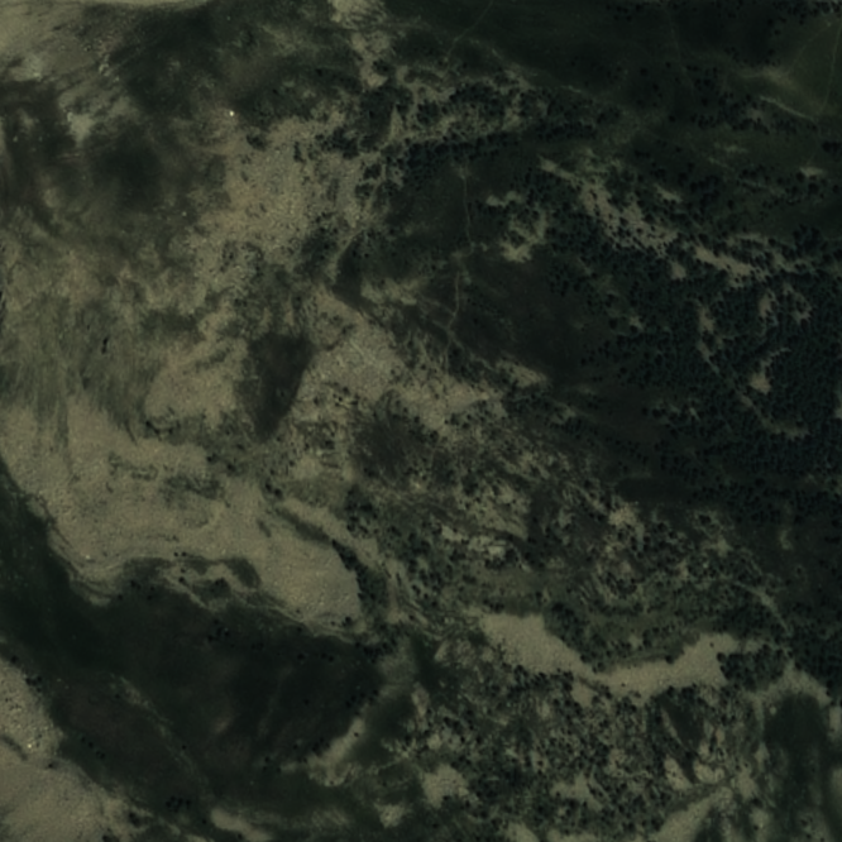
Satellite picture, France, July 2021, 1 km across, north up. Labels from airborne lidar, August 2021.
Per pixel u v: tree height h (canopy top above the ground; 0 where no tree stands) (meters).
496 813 0
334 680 0
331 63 0
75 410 0
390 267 0
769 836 0
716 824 0
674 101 0
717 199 15
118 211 0
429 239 0
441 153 17
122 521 0
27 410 0
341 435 0
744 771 0
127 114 0
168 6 0
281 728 0
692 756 8
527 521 0
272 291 0
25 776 0
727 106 15
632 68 0
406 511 0
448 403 0
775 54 6
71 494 0
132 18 0
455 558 7
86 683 0
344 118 0
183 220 0
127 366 0
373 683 0
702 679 0
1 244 0
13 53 0
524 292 0
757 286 13
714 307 8
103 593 0
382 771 0
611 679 0
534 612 0
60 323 0
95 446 0
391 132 0
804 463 13
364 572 14
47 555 0
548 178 14
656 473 0
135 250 0
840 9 12
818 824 0
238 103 0
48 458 0
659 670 0
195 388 0
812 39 0
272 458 0
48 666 0
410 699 0
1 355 0
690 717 0
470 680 0
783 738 0
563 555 0
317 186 0
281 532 0
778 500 8
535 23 0
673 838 0
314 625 0
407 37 0
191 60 0
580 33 0
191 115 0
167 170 0
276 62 0
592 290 12
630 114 0
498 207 8
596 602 6
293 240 0
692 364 13
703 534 0
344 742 0
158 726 0
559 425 7
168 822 0
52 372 0
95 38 0
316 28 0
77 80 0
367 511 12
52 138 0
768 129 6
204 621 0
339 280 0
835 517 9
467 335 0
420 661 0
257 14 0
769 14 0
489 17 0
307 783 0
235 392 0
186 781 0
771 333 13
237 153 0
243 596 0
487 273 0
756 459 11
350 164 0
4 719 0
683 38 0
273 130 0
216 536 0
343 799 0
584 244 14
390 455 0
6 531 0
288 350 0
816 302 14
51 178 0
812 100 0
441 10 0
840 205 0
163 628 0
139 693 0
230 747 0
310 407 0
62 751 0
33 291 0
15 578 0
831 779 0
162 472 0
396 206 0
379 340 0
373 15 0
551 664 0
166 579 0
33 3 0
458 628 0
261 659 0
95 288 0
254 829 0
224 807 0
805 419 11
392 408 0
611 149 0
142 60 0
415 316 0
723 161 0
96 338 0
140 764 0
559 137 13
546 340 0
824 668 10
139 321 0
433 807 0
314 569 0
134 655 0
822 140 0
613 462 0
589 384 0
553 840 0
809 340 10
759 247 12
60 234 0
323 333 0
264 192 0
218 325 0
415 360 0
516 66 0
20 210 0
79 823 0
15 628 0
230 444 0
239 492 0
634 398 0
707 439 16
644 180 11
